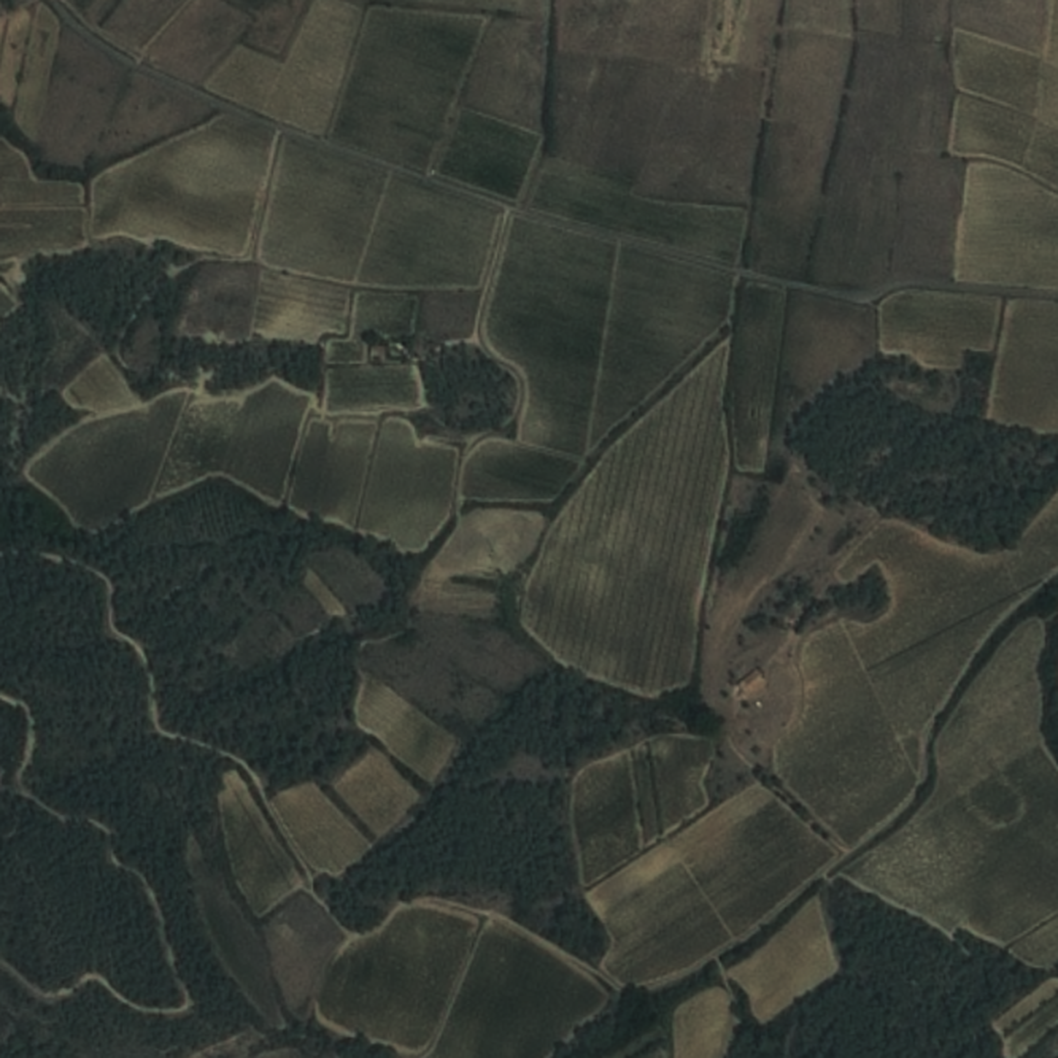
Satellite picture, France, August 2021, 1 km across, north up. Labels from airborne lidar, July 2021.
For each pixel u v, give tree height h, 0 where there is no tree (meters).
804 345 0
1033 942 0
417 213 0
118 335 10
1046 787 0
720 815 0
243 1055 0
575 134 0
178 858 16
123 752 9
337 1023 0
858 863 0
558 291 0
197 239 0
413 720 0
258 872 0
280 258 0
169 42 0
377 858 16
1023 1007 0
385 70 0
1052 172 0
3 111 8
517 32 0
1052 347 0
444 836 10
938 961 9
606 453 0
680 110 0
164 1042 9
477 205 0
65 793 13
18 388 7
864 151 0
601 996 0
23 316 10
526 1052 0
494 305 0
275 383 0
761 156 6
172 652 13
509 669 0
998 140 0
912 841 0
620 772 0
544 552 0
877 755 0
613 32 0
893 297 0
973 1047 13
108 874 11
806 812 18
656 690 0
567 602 0
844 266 0
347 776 0
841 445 10
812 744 0
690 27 0
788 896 0
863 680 0
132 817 12
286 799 0
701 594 0
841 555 0
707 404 0
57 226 0
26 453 7
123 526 10
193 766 11
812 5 0
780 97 0
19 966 6
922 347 0
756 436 0
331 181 0
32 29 0
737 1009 13
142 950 11
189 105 0
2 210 0
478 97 0
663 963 0
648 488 0
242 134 0
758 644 0
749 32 0
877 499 9
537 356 0
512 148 0
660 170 0
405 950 0
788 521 0
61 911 8
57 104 0
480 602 0
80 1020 7
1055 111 0
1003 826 0
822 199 0
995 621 0
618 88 0
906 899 0
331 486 0
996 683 0
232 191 0
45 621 12
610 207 0
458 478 0
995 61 0
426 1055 0
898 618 0
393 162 0
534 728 15
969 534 11
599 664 0
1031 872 0
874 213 0
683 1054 0
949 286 0
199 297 0
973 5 0
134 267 9
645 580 0
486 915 0
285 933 0
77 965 8
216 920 0
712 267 0
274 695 17
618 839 0
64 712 6
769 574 0
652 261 0
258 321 0
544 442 0
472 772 12
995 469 15
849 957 17
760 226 0
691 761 0
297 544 20
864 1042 16
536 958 0
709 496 0
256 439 0
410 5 0
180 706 14
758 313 0
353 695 12
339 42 0
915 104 0
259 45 0
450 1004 0
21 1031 6
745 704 5
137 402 0
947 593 0
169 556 10
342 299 0
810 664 0
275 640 0
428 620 0
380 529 0
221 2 0
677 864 0
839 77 0
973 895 0
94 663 14
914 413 12
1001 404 0
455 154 0
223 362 8
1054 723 11
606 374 0
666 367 0
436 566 0
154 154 0
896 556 0
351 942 0
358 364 0
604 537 0
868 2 0
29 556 12
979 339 0
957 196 0
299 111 0
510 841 10
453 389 9
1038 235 0
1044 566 0
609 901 0
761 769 11
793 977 0
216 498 7
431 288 0
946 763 0
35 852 11
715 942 0
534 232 0
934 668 0
